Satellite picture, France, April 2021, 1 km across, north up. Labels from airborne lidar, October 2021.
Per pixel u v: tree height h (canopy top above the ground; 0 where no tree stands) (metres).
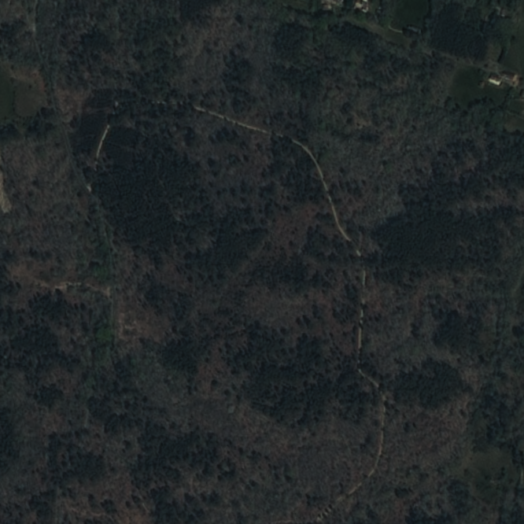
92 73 16
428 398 22
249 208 8
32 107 0
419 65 17
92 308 17
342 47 19
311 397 21
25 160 16
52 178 15
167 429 15
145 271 10
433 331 9
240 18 9
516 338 0
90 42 19
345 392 20
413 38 20
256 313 5
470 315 18
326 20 22
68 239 16
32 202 15
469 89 0
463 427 18
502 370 25
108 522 11
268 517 17
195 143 25
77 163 9
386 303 18
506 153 17
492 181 9
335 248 14
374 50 21
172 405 13
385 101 16
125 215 17
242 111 20
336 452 12
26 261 8
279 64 21
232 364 17
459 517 7
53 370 30
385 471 10
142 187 14
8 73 0
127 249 9
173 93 10
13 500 13
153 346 15
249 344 7
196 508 28
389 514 11
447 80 17
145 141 23
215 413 9
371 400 20
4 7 16
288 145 16
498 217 26
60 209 10
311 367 15
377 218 10
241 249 23
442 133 10
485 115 17
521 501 19
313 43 17
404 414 8
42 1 22
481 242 14
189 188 19
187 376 10
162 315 19
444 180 25
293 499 11
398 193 9
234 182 13
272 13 21
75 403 8
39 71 17
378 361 10
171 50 28
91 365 26
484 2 14
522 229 13
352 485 14
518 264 21
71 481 19
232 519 16
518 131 0
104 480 14
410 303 8
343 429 12
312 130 16
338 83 13
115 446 13
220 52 19
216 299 14
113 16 21
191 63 22
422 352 14
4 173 18
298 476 13
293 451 16
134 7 14
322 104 13
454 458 21
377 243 24
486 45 20
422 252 22
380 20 17
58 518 14
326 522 19
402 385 21
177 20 10
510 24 19
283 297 15
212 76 11
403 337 17
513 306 19
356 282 9
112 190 16
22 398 14
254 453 9
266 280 8
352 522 19
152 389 12
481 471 0
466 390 24
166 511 25
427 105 14
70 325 26
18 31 15
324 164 8
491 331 13
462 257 26
